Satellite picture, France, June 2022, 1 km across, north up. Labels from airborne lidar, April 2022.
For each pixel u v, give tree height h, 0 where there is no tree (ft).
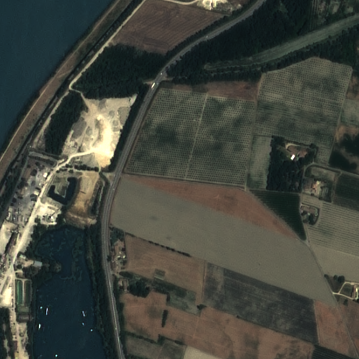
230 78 38
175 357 0
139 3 53
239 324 0
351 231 0
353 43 20
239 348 0
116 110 0
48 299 0
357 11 0
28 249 36
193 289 0
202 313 0
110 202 0
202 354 0
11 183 37
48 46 0
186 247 0
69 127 45
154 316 0
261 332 0
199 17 0
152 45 0
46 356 0
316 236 0
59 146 52
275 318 0
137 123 0
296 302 0
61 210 31
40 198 0
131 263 0
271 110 0
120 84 65
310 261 0
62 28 0
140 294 48
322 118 0
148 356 0
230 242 0
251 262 0
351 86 0
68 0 0
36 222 19
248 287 0
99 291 73
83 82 52
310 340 0
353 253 0
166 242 0
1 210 35
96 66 42
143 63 44
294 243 0
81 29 0
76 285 0
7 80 0
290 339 0
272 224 0
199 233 0
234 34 56
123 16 48
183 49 53
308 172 18
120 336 28
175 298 0
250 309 0
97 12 0
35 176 0
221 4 0
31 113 0
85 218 0
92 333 0
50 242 0
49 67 0
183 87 0
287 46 0
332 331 0
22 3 0
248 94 0
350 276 0
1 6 0
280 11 33
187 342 0
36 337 0
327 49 35
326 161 0
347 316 0
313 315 0
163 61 39
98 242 47
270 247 0
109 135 0
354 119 0
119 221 0
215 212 0
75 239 0
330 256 0
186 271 0
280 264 0
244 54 47
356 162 0
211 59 67
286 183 38
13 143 0
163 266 0
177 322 0
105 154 0
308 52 34
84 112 0
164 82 23
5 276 0
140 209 0
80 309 0
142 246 0
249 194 0
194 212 0
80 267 0
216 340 0
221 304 0
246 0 0
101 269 25
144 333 0
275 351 0
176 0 0
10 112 0
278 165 46
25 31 0
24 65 0
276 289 0
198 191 0
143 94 43
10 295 0
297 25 56
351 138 0
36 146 0
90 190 0
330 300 0
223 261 0
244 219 0
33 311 35
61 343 0
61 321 0
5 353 54
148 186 0
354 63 23
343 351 0
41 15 0
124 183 0
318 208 0
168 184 0
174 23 0
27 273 41
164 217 0
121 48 69
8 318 23
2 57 0
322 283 0
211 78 34
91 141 0
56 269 28
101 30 0
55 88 0
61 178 0
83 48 0
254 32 69
